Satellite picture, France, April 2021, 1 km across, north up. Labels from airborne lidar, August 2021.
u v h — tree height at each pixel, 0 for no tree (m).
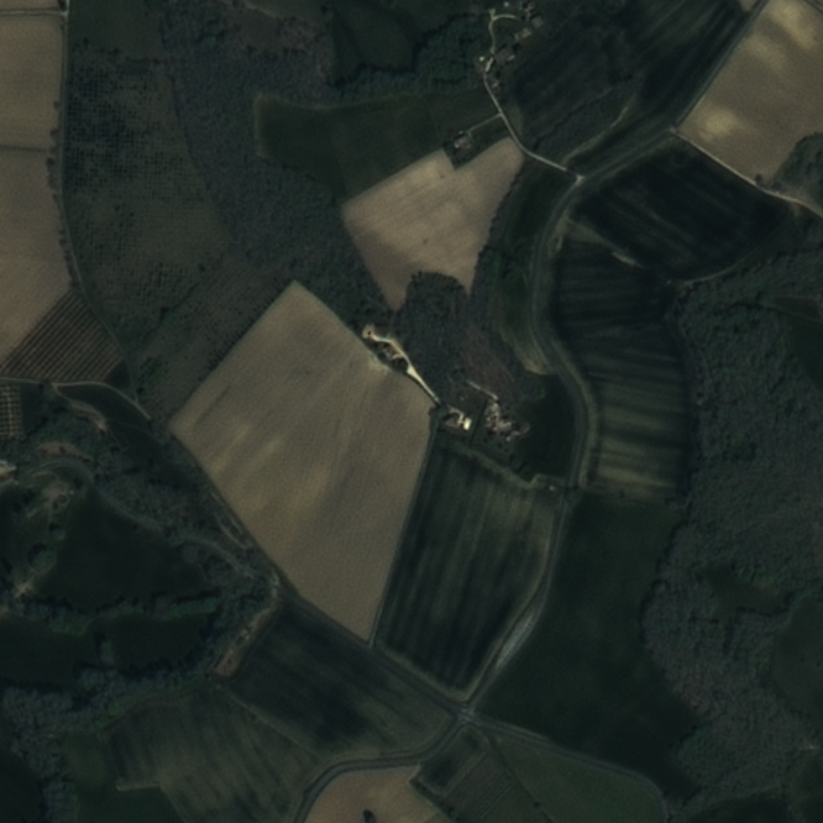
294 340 0
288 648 0
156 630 0
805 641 0
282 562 0
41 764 22
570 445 0
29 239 0
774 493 11
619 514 0
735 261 0
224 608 22
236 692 0
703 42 0
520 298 0
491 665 0
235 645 13
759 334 33
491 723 0
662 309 0
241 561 13
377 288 11
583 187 0
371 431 0
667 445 0
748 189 0
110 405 0
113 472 18
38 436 12
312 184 18
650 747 0
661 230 0
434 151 0
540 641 0
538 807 9
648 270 0
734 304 24
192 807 0
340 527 0
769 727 17
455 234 0
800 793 0
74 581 0
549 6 0
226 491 0
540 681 0
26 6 0
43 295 0
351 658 0
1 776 0
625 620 0
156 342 0
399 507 0
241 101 19
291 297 0
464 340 16
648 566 0
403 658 0
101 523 0
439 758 0
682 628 20
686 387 0
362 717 0
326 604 0
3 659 0
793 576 15
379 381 0
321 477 0
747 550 26
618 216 0
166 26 12
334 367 0
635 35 0
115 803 0
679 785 0
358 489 0
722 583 0
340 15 0
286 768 0
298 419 0
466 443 8
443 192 0
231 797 0
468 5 0
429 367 17
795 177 0
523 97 0
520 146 0
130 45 0
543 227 0
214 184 15
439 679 0
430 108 0
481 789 0
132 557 0
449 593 0
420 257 0
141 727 0
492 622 0
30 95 0
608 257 0
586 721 0
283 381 0
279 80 19
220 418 0
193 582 0
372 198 0
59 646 0
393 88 18
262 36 0
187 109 14
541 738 0
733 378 12
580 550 0
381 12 0
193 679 11
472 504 0
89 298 0
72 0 0
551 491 0
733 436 21
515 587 0
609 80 0
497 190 0
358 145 0
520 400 14
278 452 0
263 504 0
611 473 0
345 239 14
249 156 18
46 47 0
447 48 19
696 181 0
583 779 0
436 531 0
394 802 0
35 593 0
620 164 0
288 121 0
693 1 0
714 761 11
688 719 0
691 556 23
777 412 16
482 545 0
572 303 0
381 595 0
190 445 0
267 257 12
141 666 0
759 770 19
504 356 17
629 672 0
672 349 0
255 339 0
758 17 0
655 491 0
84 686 15
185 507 15
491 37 12
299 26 9
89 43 12
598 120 14
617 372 0
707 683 17
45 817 13
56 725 15
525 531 0
